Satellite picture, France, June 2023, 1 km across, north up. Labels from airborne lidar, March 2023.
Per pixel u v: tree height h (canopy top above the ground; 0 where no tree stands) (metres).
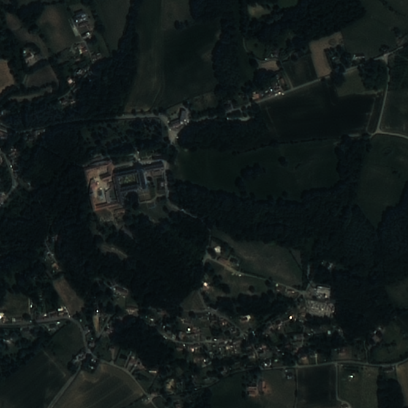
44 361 0
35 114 23
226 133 23
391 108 0
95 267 15
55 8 0
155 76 0
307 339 8
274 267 0
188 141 24
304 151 0
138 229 16
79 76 9
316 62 0
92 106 22
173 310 16
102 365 0
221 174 0
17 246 17
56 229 13
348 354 0
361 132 0
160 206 0
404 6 0
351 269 27
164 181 0
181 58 0
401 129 0
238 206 27
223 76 22
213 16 22
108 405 0
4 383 0
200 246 19
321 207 23
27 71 12
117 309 17
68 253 12
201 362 0
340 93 0
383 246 24
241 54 0
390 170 0
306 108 0
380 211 0
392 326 0
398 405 23
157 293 18
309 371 0
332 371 0
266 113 0
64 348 0
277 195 0
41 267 20
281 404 0
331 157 0
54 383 0
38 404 0
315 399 0
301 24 20
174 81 0
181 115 0
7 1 0
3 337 6
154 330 18
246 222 24
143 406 0
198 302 0
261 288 0
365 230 26
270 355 0
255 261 0
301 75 0
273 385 0
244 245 0
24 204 14
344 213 24
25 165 17
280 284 0
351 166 12
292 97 0
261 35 33
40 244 18
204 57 0
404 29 0
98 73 19
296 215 23
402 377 0
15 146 18
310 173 0
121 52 14
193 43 0
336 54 12
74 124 11
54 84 10
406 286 0
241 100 0
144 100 0
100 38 0
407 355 7
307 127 0
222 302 16
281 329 0
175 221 14
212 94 0
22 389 0
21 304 0
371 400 0
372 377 0
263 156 0
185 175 0
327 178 0
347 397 0
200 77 0
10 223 19
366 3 0
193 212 19
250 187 0
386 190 0
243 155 0
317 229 18
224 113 16
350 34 0
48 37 0
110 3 0
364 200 0
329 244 20
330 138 0
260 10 0
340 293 21
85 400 0
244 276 0
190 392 10
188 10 0
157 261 19
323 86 0
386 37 0
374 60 14
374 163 0
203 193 22
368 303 26
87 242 15
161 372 16
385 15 0
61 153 17
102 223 0
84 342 0
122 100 18
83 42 0
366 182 0
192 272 13
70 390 0
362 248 25
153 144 21
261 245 0
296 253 0
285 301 10
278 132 0
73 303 0
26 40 0
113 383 0
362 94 0
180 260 17
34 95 0
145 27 0
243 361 6
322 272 20
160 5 0
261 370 13
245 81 0
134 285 19
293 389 0
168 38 0
